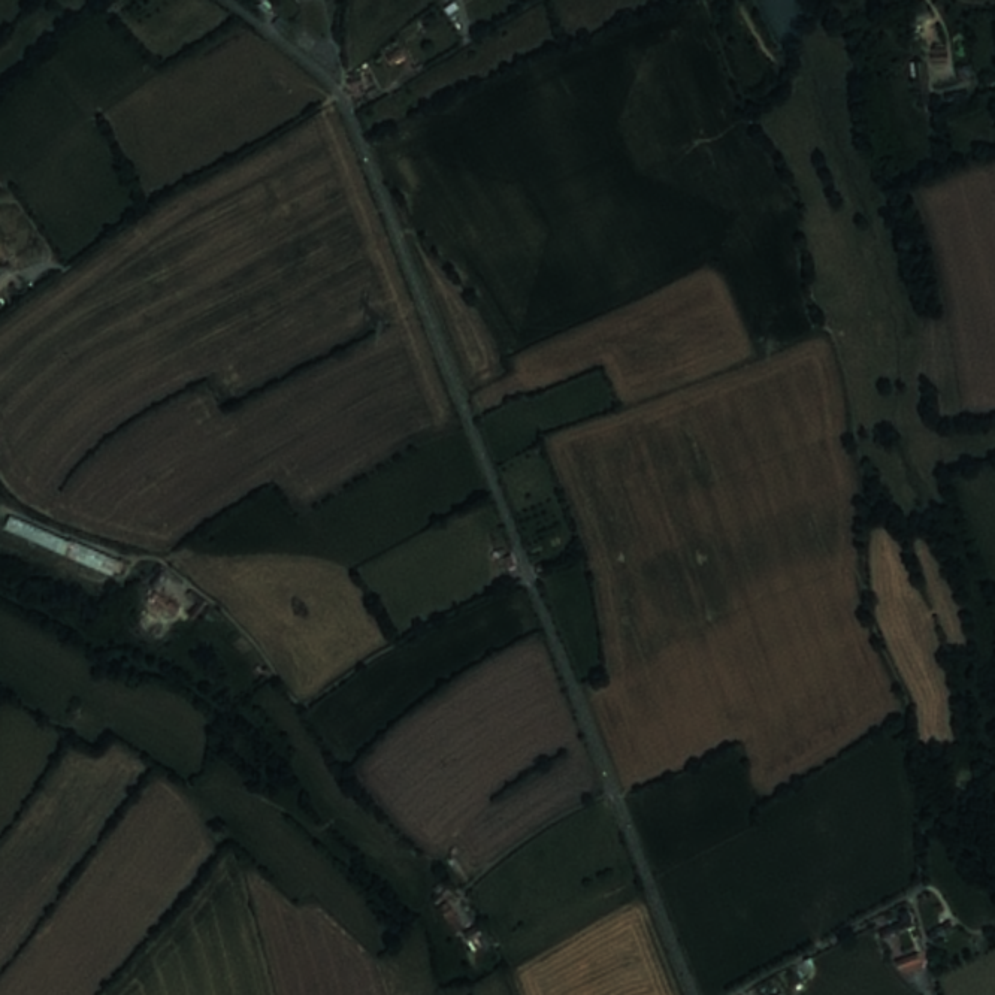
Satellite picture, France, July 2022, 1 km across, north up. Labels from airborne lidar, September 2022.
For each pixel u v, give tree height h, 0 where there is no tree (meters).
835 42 0
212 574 0
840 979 0
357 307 0
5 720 0
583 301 0
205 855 0
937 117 17
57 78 0
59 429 0
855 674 0
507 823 0
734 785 0
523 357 0
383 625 14
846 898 0
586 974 0
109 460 0
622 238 0
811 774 7
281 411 0
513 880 0
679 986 0
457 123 0
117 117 0
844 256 0
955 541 7
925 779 17
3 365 0
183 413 0
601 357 0
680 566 0
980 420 13
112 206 0
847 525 0
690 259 0
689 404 0
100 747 14
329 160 0
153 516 0
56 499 0
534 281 0
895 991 0
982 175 0
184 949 0
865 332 0
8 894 0
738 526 0
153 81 0
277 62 0
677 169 0
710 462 0
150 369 0
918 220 18
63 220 0
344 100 0
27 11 16
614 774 0
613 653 0
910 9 8
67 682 0
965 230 0
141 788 8
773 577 0
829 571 0
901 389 15
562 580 0
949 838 15
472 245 0
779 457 0
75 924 0
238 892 0
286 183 0
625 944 0
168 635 0
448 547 0
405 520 0
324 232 0
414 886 0
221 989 0
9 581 9
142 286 0
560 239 0
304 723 9
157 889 0
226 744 10
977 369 0
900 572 0
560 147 0
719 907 0
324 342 0
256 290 0
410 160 0
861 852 0
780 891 0
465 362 0
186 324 0
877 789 0
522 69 14
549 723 0
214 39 9
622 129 0
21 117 0
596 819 0
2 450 0
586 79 0
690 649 0
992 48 0
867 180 0
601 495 0
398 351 0
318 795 0
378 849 0
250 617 0
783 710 0
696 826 0
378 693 0
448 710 0
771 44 8
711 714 0
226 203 0
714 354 0
